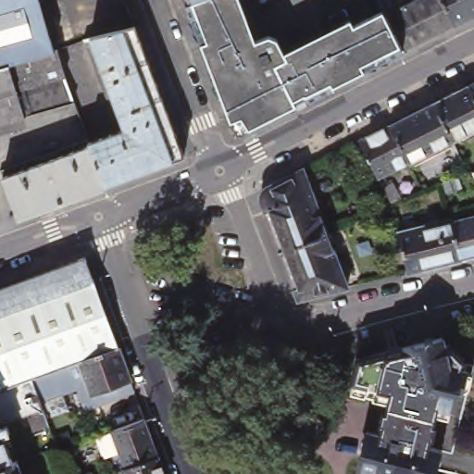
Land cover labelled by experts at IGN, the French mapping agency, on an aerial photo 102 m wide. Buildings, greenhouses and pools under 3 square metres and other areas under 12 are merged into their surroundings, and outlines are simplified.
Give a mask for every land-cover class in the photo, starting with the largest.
<instances>
[{"label":"impervious surface","instance_id":"1","mask_svg":"<svg viewBox=\"0 0 474 474\"><path fill-rule=\"evenodd\" d=\"M50 43L61 61V72H57L56 80H48L41 87L22 91L19 72L15 67H11V70H0V291L17 285L20 281L31 280L57 268L67 267L76 261H85L104 307L109 328L113 331V337L122 352L128 350L130 355H126V361L133 368V378L128 381V385L100 396L89 394L85 378L81 376L80 361L70 363L67 367L50 370L31 380L19 381L15 387H6L0 374V428L9 435L7 455L11 461L19 463L22 474H50L44 463V454L54 450L69 454L72 463L78 468V474H96L98 470L94 468L93 461L102 457L96 446L80 450L78 444H74L76 430L72 426L76 424L80 415H85L87 409H94L96 413H107L109 433L117 428L131 430L137 424L146 426L154 422L159 426L161 433L167 435L172 446V474H200L198 468L185 461L180 439L174 437L168 422V418L172 415L178 417L181 409L187 407L185 396L189 391L185 387L189 374H176L174 370H165L159 357L148 355L150 344L161 343L159 324L165 322V318L176 320L194 317L198 313L200 318H204L207 326L215 324L218 330L224 326H233L235 330L252 331L257 335L270 333L276 339V350L280 352L283 348H294L313 357L315 354L328 352L335 357L337 367H348L355 374L357 368L372 365L376 361L405 359L407 355L404 348L409 344H426L430 343L431 339H444L448 346H454L465 359L468 378L474 380V337H465L461 333L457 317L461 313H474V278L467 276L463 270L454 272L450 267L452 263L422 268L418 261L415 267L405 268L404 274L396 276L393 280H372L363 283L359 280L361 270L352 267V257L341 233L337 228L339 220L354 217L355 207L337 211L331 202L330 194L320 189L322 183L311 168L320 157L330 156L333 152L341 150L344 144H348L344 137L367 126L370 118L380 115L383 109L391 111L393 107L398 106L402 111L413 113L459 87H474V26L470 22L455 24L454 28L444 31L441 37L433 35L426 43H417L413 48L409 69H400L393 65L381 74L372 72L367 80L359 81L350 93L335 94L315 109L307 113H298L287 124L263 133L261 139H257L250 135V131L237 133L233 130L228 126L230 118L224 117L218 109L204 65L198 61L196 44L189 39L187 17L181 11L183 7H189V0H39ZM122 30H135L139 37L144 57L148 61L170 126L180 146V159H172L170 167L107 189L100 196H93L91 200L78 206L69 207L65 211L41 213L39 217L26 222H17L4 189V183L9 176L56 161L59 157L76 154L89 144L118 135L120 126L106 94H98L93 104H81L78 83L74 80L69 67V46L81 43L85 39L102 37ZM298 168L307 170V176L318 200V209L315 213L324 220L331 246L341 259L344 272L350 274L346 281V289L331 283L328 293L318 294L309 306L294 304L291 296V289L296 287L293 270L289 267V261L283 252L274 220L259 202L263 181L268 185L281 174L289 170L296 172ZM172 226L187 228L180 239L181 246L200 241L207 244L204 259L200 261L202 265L194 268L189 283H176L168 278L150 283L144 280L143 272L135 265V235L157 233L167 237L172 233ZM413 0H241L254 39H274L278 41L285 54L343 24H359L376 15H383L387 19L396 41L400 44V50H404L405 22L402 7ZM459 143L454 137L446 143L444 150H431V154H424L415 165L424 172L426 178H435L443 170L444 163L454 159ZM387 187L385 193L389 202L394 204L404 194L411 193L413 187L407 181L400 185L394 176H387L381 180ZM346 411L339 430L331 431L330 437L317 448V454L330 465L333 474H346L350 459L361 454L363 428L378 433L381 418L385 417V407L350 398L344 404ZM430 474H474V457L455 452V446L443 450L439 468H433Z\"/></svg>","mask_w":474,"mask_h":474},{"label":"building","instance_id":"2","mask_svg":"<svg viewBox=\"0 0 474 474\"><path fill-rule=\"evenodd\" d=\"M11 67H15L19 72L22 91L41 87L48 80H56L57 72H61V61L50 43L39 0H0V70H11ZM181 11L187 17L189 39L196 44L198 61L204 65L218 109L224 117L230 118L228 126L233 130L237 133L250 131V135L257 139H261L263 133L287 124L298 113H307L315 109L335 94L350 93L359 81L367 80L372 72L381 74L393 65L400 69H409L413 48L417 43H426L433 35L441 37L444 31L454 28L455 24L470 22L474 26V0H413L402 7L405 22L404 50H400V44L396 41L387 19L383 15H376L359 24H343L285 54L278 41L274 39H254L241 0H189V7H183ZM69 67L74 80L78 83L81 104H93L98 94H106L120 126L118 135L89 144L76 154L59 157L56 161L9 176L4 183V189L17 222H26L39 217L41 213L65 211L69 207L78 206L91 200L93 196H100L107 189L170 167L172 159H180V146L170 126L148 61L144 57L139 37L135 30H122L102 37L85 39L81 43L69 46ZM474 135V87H459L413 113L402 111L398 106L393 107L391 111L383 109L380 115L370 118L367 126L344 137L348 144L357 146L361 156L367 159L368 167L374 172V178L381 180L387 176H394L396 170L415 165L424 154H431V150H444L446 143L454 137L459 143ZM259 202L274 220L283 252L289 261V267L293 270L296 287L291 289V296L294 304L309 306L318 294L328 293L331 283L346 289V281L350 274L344 272L341 259L331 246L324 220L315 213L318 209V200L307 176V170L298 168L296 172L289 170L281 174L268 185L263 181ZM398 256L405 268L415 267L418 261L422 268L452 263L450 267L454 272L463 270L467 276L474 278V217L457 218L448 226H439L431 230L422 224L402 228L396 230V241ZM126 355H130L128 350L122 352L113 337V331L109 328L104 307L85 261H76L67 267L57 268L31 280L20 281L17 285L0 291V374L6 387H15L19 381L31 380L50 370L67 367L70 363L80 361L81 376L85 378L89 394L100 396L128 385V381L133 378V368L126 361ZM407 355L405 359L376 361L372 365L357 368L355 374L350 398L385 407V417L381 418L378 433L363 428L361 454L365 455L370 465H363L359 474H430L433 468H439L443 450L455 446L454 424L463 420L468 400L474 396V380L468 378L465 359L454 346H448L444 339H431L430 343L426 344H409L404 348ZM96 446L102 457H111L115 461L113 470L118 474H172V446L167 435L161 433L159 426L154 422L146 426L137 424L131 430L117 428L109 433L100 437L96 441ZM9 435L0 428V474H22L19 463L11 461L7 455Z\"/></svg>","mask_w":474,"mask_h":474},{"label":"deciduous trees","instance_id":"3","mask_svg":"<svg viewBox=\"0 0 474 474\"><path fill-rule=\"evenodd\" d=\"M355 207L354 217L339 220L337 228L341 233L354 230L355 222L363 228L376 226V217L383 211V202L378 194H368L357 198ZM187 228L172 226V233L167 237L157 233L135 235V265L143 272L144 280L150 283L168 278L176 283H189L194 268L202 265L200 261L204 259L207 244L200 241L181 246L180 239ZM161 343L150 344L148 355L159 357L165 370H174L176 374H189L185 387L189 391L185 396L187 407L181 409L178 417L172 415L168 418V422L174 437L180 439L185 461L198 468L200 474H333L330 465L317 454V448L330 437L331 431L339 430L346 411L344 404L350 398L355 374L348 367H337L335 357L328 352L315 354L313 357L294 348H283L280 352L276 350V339L270 333L257 335L252 331L235 330L233 326H224L218 330L215 324L207 326L204 318H200L198 313L194 317L176 320L165 318V322L159 324ZM461 333L465 337H474V313H461L457 317ZM455 446V452L474 457V396L468 400L463 420L454 424ZM44 463L50 474H78V468L72 463L69 454L54 450L44 454ZM94 468L98 470L96 474H118L113 470L115 461L111 457H102L93 461Z\"/></svg>","mask_w":474,"mask_h":474},{"label":"brushwood","instance_id":"4","mask_svg":"<svg viewBox=\"0 0 474 474\"><path fill-rule=\"evenodd\" d=\"M311 168L322 183L320 189L330 194L331 202L337 211L355 207L357 198L368 194H378L383 202V211L376 217V226L363 228L361 235L372 237L378 243L396 241V230L402 228L422 224L431 230L439 226H448L457 218L474 217V135L459 143L454 159L444 163L443 170L435 178H426L424 172L415 165L396 170L394 176L400 185L407 181L413 187L411 193L404 194L394 204L389 202L385 193L387 187L381 180L374 178V172L368 167L367 159L361 156L357 146L348 144H344L341 150L333 152L330 156L320 157ZM352 267L361 270L359 280L363 283L372 280H393L396 276L404 274L405 268L398 256H380L372 250L370 256L359 257L355 254L352 257ZM107 413H96L94 409H87L85 415H80L76 424L72 426L76 430L74 444H78L80 450L96 446V441L100 437L109 433Z\"/></svg>","mask_w":474,"mask_h":474},{"label":"herbaceous vegetation","instance_id":"5","mask_svg":"<svg viewBox=\"0 0 474 474\"><path fill-rule=\"evenodd\" d=\"M363 228L355 222L354 230L341 233L352 257L355 254L359 257L370 256L372 250L380 256H398L396 241L378 243L372 237L361 235ZM363 465H370L365 455L361 454L350 459L346 474H359Z\"/></svg>","mask_w":474,"mask_h":474}]
</instances>
